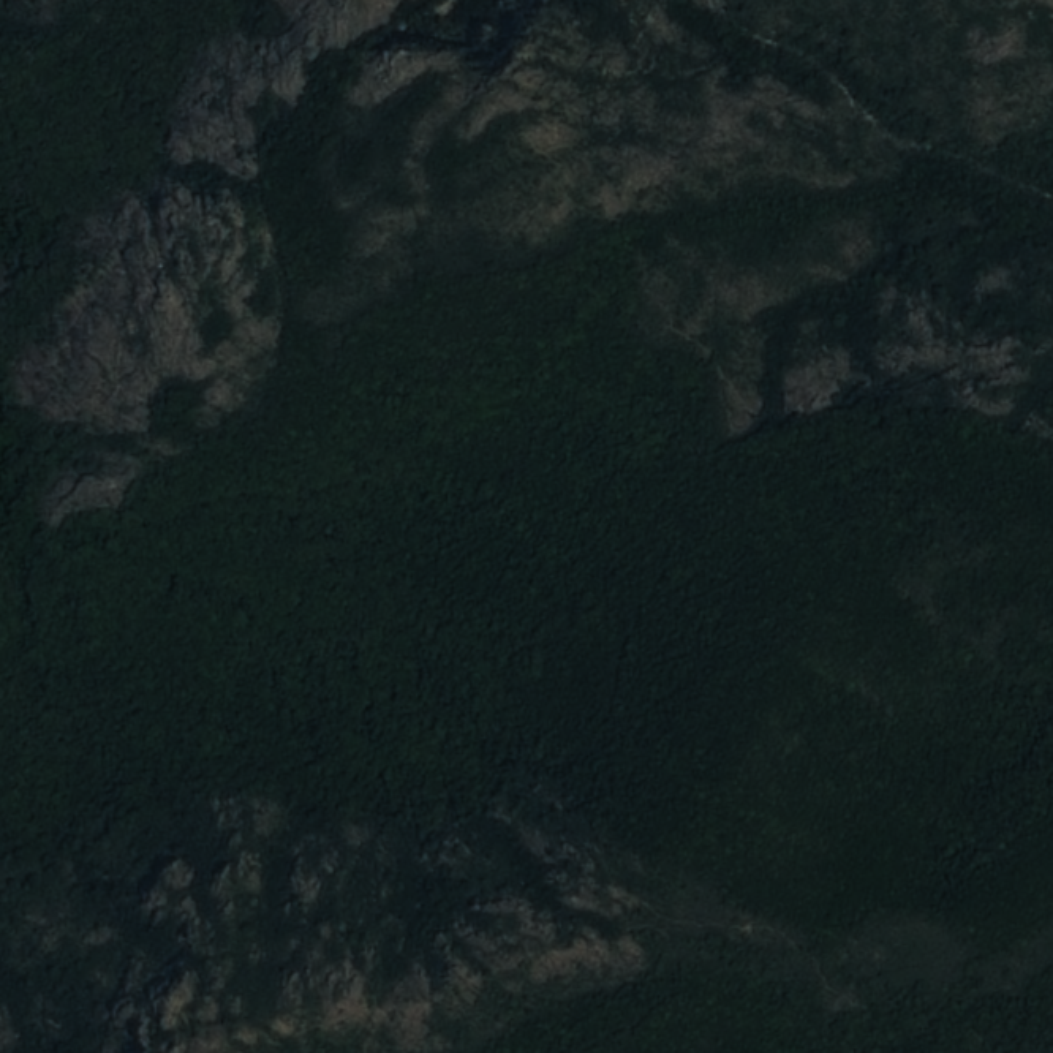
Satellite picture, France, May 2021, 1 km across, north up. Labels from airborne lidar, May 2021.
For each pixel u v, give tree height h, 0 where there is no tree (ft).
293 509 53
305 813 31
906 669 23
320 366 28
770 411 21
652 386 29
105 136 64
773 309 19
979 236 38
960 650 27
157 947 18
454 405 44
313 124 31
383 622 30
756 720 21
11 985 22
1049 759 37
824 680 35
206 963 24
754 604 24
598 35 19
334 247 20
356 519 51
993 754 39
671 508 23
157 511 52
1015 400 19
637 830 25
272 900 21
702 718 26
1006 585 22
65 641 45
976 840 26
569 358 35
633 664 27
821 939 26
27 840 30
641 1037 18
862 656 20
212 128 0
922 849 29
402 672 56
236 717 48
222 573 47
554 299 25
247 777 36
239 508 52
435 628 26
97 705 25
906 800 29
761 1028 26
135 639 45
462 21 28
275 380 19
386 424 38
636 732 25
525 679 25
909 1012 17
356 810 24
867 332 29
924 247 26
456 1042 23
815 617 24
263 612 48
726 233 20
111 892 36
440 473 44
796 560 26
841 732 26
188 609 53
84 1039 21
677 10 22
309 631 54
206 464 43
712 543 35
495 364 40
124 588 53
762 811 23
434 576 35
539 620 27
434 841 33
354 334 31
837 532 33
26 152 47
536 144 0
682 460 24
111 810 25
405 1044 0
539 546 45
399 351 35
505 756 26
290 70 0
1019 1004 49
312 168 19
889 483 38
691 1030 20
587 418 38
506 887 27
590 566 30
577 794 25
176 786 36
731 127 0
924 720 33
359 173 19
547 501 30
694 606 28
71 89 41
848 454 39
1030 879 19
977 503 29
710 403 30
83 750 46
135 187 20
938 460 41
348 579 45
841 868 20
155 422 30
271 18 36
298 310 25
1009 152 46
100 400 0
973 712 43
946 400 22
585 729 28
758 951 22
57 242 54
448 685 40
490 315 24
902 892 26
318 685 35
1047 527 19
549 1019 25
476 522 29
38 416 26
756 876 20
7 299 37
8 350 32
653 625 29
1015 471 27
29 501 43
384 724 40
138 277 0
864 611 18
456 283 25
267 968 20
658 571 22
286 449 38
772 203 34
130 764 30
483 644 41
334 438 35
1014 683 21
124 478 0
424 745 52
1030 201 38
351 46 21
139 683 47
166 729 28
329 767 45
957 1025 38
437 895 42
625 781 27
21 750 59
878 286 26
